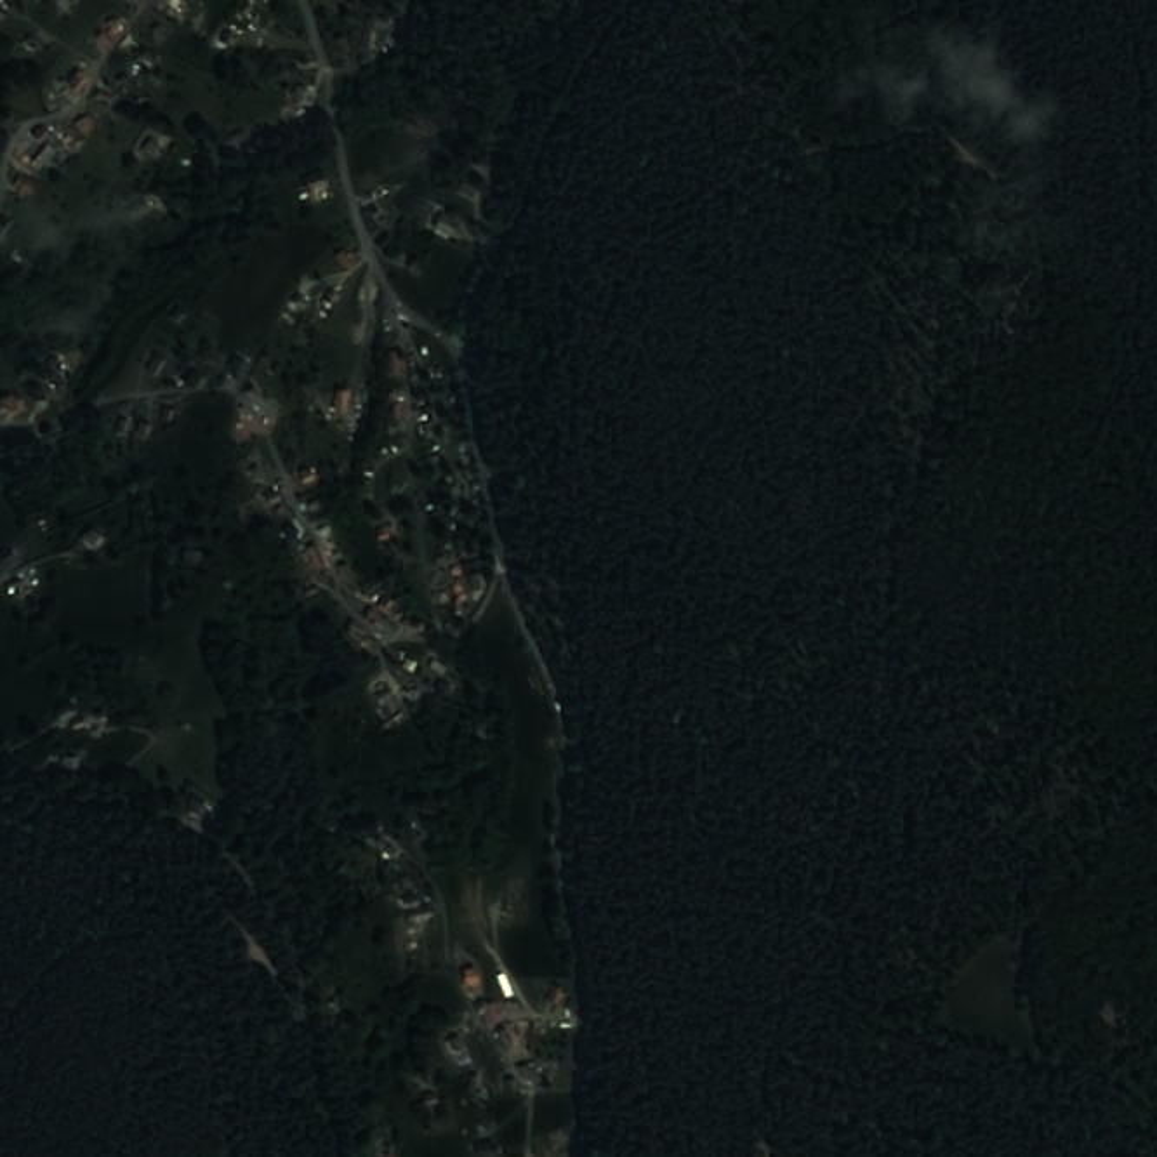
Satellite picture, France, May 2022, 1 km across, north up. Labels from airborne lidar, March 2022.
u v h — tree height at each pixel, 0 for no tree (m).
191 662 0
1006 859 29
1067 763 33
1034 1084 26
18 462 24
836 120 13
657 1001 29
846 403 31
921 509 26
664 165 13
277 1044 22
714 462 26
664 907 20
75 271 21
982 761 33
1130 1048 13
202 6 0
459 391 17
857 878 27
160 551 15
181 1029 19
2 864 22
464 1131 0
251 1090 28
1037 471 23
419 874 8
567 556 21
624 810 30
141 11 0
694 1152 23
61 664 0
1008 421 21
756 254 28
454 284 0
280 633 10
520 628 0
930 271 32
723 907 27
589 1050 24
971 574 23
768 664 25
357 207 0
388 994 11
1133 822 11
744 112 30
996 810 28
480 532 7
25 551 0
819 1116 27
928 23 9
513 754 13
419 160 0
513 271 18
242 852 28
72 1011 17
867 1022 28
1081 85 32
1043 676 23
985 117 29
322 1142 27
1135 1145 34
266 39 0
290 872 26
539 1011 0
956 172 31
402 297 0
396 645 0
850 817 28
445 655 21
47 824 23
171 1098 21
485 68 27
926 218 32
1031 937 14
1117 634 25
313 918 30
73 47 0
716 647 26
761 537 17
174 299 0
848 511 24
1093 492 22
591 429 26
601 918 26
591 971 21
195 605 0
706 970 24
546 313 19
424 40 28
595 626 30
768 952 25
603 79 29
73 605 0
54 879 22
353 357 0
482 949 0
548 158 21
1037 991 29
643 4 33
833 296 26
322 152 26
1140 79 33
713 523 25
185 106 0
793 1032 28
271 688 21
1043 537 24
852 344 29
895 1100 29
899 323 33
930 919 28
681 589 27
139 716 9
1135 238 24
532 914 0
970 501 24
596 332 30
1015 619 23
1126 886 10
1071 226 35
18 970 23
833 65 11
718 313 26
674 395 22
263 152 25
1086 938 14
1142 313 29
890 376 33
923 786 26
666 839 29
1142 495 33
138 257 20
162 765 0
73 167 11
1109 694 20
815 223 23
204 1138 19
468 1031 0
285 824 24
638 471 24
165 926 26
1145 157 35
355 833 14
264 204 26
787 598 22
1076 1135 29
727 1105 21
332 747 0
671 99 30
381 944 17
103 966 17
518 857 0
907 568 23
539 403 32
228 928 27
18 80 17
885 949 31
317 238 0
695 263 26
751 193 26
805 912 22
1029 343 22
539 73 35
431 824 16
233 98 0
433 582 0
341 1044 15
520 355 29
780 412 19
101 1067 19
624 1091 29
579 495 33
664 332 22
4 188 0
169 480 0
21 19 0
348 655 23
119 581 0
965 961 13
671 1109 29
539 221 15
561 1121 0
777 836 25
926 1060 28
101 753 0
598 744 28
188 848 27
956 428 18
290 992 28
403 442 0
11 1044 20
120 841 21
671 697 25
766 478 19
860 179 13
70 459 0
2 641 0
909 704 27
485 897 0
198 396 0
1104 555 23
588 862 26
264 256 0
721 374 21
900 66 12
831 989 30
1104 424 22
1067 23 30
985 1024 0
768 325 24
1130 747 19
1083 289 25
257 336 0
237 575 0
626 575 29
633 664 27
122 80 0
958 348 34
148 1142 22
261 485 0
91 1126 18
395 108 25
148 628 9
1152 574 27
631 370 22
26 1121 17
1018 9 33
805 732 28
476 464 14
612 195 28
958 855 27
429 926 0
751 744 23
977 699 34
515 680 0
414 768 0
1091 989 9
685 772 15
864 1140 30
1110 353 32
